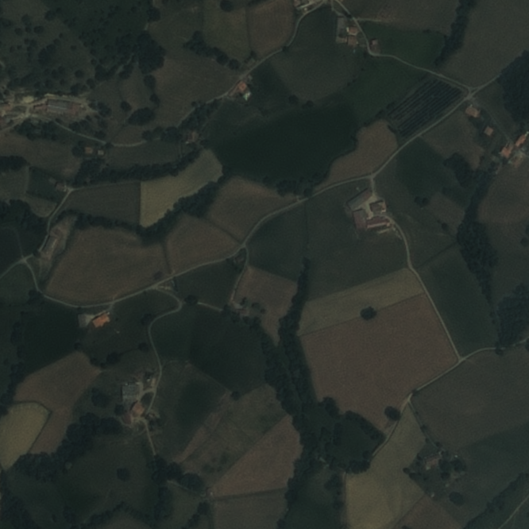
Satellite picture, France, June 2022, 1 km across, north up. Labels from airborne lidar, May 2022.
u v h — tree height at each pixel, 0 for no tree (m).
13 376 13
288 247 0
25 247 0
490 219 0
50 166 0
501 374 0
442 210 0
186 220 0
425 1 0
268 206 0
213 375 0
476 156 0
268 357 7
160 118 0
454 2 0
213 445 0
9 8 0
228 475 0
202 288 0
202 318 0
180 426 0
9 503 11
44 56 18
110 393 0
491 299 17
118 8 8
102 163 10
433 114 7
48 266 0
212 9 0
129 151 0
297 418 17
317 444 5
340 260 0
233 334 0
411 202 0
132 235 0
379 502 0
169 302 0
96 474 0
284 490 0
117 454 0
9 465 0
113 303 0
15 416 0
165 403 0
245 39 0
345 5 0
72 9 0
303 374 23
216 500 0
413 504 0
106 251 0
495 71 0
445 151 0
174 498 13
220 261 0
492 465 0
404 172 0
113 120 0
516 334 13
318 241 0
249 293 0
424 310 0
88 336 0
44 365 0
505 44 0
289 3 0
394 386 0
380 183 0
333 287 0
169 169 11
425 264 0
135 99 0
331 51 0
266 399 0
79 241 0
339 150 0
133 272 0
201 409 0
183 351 0
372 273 0
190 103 0
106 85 0
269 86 0
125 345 0
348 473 10
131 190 0
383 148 0
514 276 0
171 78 0
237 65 14
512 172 0
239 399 7
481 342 0
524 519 0
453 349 0
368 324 0
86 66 0
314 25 0
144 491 0
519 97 20
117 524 0
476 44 0
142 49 20
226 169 13
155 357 0
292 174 0
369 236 0
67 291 0
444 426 0
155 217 0
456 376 0
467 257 22
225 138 0
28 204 12
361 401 0
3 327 0
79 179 12
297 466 17
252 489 0
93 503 0
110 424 24
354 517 0
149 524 12
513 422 0
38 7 0
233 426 0
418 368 0
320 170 0
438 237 0
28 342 0
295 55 0
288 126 0
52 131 8
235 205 0
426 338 0
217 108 8
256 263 0
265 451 0
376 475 0
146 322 15
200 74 0
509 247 0
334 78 0
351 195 0
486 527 0
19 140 0
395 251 0
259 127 0
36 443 0
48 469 20
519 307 15
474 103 0
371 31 0
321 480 0
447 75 0
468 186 10
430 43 0
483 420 0
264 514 0
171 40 0
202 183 0
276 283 0
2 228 0
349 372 0
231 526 0
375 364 0
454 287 0
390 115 7
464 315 0
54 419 0
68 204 0
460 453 0
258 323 10
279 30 0
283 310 0
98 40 6
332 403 18
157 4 0
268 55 0
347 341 0
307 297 0
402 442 0
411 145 0
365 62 0
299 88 0
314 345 0
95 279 0
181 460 0
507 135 0
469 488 0
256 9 0
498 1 0
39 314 0
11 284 0
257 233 0
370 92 0
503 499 8
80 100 0
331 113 0
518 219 0
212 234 0
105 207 0
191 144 8
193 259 0
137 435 0
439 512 0
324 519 0
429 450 0
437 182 0
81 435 15
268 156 0
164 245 0
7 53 0
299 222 0
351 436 0
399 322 0
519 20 0
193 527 11
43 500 0
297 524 0
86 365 0
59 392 0
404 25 0
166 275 0
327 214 0
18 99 0
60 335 0
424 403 0
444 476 13
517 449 0
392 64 0
